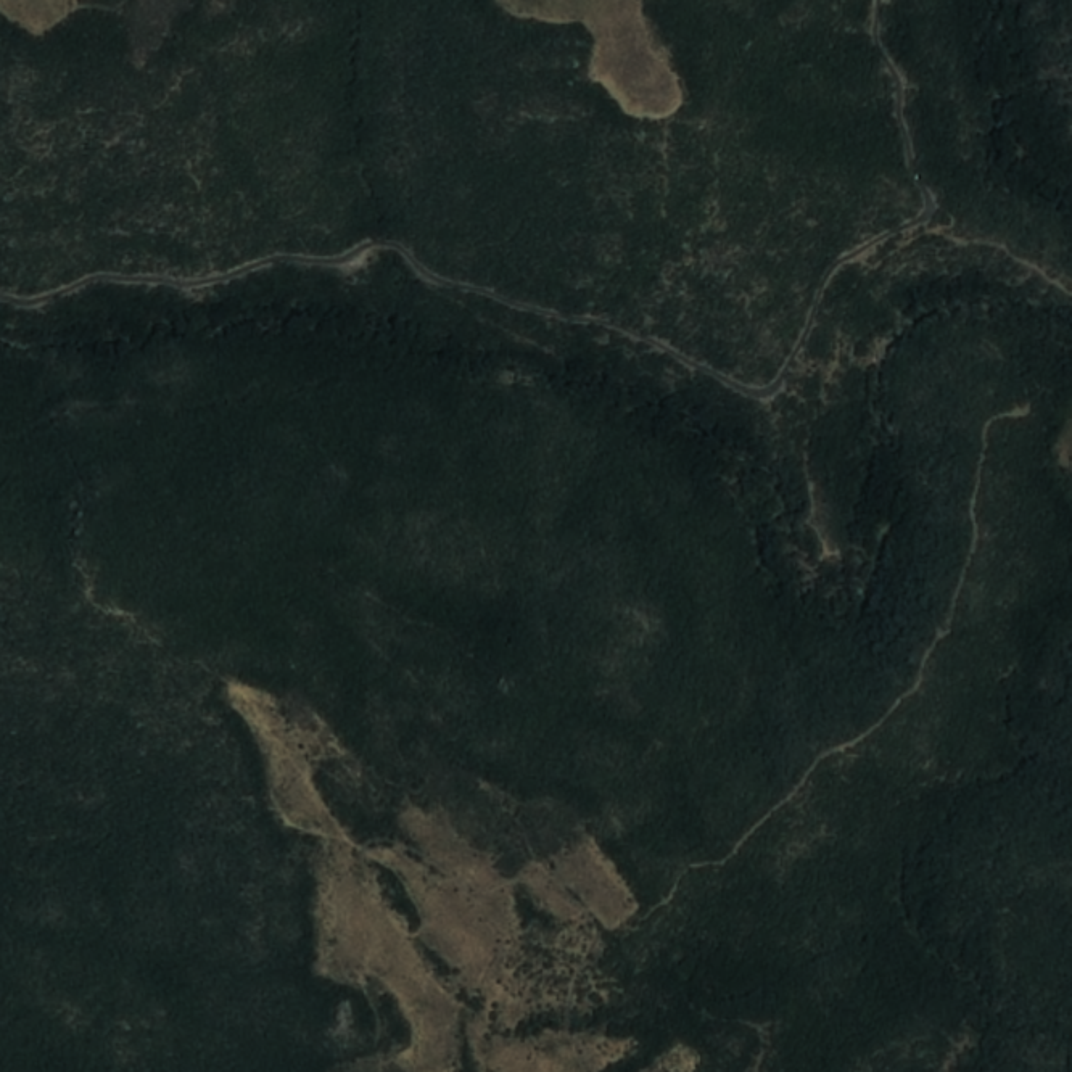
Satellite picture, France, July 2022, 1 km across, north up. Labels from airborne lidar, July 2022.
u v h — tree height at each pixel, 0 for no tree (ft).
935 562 18
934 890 38
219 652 18
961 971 35
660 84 0
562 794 25
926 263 21
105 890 22
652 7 18
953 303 56
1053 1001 28
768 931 22
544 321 19
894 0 18
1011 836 20
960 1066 21
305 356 30
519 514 25
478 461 20
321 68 30
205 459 19
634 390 59
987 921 27
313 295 32
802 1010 21
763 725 24
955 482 18
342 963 0
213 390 20
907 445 29
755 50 22
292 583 21
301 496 22
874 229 18
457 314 29
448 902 0
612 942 24
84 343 60
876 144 35
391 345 36
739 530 22
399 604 19
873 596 20
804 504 23
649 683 19
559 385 61
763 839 17
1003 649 24
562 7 0
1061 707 35
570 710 29
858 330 18
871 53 30
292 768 0
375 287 26
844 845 24
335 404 19
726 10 20
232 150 21
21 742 23
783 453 21
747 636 34
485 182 18
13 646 18
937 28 29
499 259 21
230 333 62
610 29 0
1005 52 64
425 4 23
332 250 18
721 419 64
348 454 19
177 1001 22
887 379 49
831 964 22
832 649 22
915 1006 22
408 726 20
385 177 26
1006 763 48
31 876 21
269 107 22
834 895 29
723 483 37
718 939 30
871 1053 17
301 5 19
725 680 23
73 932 18
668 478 28
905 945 38
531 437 23
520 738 22
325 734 0
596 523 25
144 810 24
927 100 32
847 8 20
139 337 57
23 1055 19
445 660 18
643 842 19
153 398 20
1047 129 27
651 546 22
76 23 21
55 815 26
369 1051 18
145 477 20
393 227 35
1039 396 33
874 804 19
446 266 20
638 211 20
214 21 17
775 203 20
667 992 36
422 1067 0
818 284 32
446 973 23
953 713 20
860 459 21
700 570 21
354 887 0
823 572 28
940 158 36
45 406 23
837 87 19
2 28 22
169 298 24
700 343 21
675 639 21
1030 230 32
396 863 0
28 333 37
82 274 22
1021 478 21
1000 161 60
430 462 20
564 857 0
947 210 23
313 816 0
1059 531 25
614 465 24
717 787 21
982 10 48
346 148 20
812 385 29
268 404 25
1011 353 21
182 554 19
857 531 73
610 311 23
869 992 57
